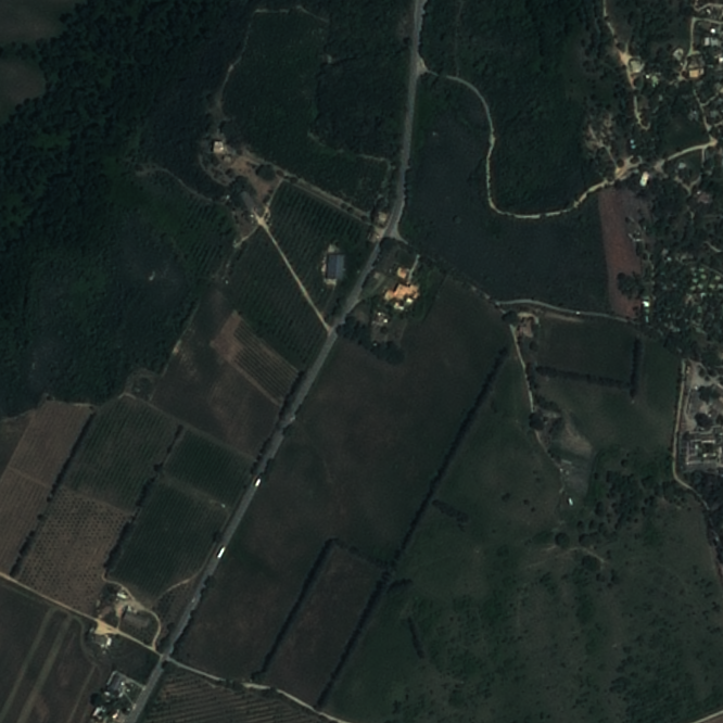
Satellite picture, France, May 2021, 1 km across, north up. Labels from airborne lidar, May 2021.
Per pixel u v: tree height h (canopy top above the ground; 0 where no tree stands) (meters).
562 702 0
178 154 10
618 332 0
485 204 7
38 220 22
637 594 0
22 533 0
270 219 6
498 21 8
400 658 0
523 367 0
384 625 0
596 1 10
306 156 6
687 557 0
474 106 0
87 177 23
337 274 0
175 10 11
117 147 16
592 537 11
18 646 0
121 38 26
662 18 8
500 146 6
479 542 0
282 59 7
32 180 25
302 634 0
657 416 0
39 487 0
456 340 0
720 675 0
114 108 23
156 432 0
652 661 0
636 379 14
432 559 0
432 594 0
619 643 0
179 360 0
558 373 14
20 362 7
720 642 0
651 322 8
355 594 0
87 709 0
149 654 0
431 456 0
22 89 0
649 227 10
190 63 19
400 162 9
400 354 12
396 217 0
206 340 0
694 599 0
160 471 16
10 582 0
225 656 0
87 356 5
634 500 10
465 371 0
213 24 20
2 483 0
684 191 9
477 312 0
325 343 0
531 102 10
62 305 7
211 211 6
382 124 18
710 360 11
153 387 0
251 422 0
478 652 0
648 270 7
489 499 0
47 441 0
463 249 0
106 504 0
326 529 0
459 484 0
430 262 8
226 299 0
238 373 0
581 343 0
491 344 0
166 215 0
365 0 10
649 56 6
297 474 0
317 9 9
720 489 12
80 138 20
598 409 0
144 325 7
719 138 7
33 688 0
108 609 0
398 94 15
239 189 12
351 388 0
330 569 0
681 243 9
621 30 0
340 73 12
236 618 0
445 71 7
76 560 0
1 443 0
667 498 6
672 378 0
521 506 0
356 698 0
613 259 0
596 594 0
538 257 0
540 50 8
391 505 0
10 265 21
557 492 0
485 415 0
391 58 10
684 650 0
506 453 0
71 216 26
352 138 14
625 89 10
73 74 24
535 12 17
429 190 0
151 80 26
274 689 8
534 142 7
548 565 0
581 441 0
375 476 0
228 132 15
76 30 13
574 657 0
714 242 6
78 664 0
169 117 11
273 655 12
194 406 0
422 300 8
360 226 6
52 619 0
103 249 6
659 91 7
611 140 7
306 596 13
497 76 6
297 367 0
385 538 0
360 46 13
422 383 0
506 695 0
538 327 11
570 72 0
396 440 0
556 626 0
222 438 0
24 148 25
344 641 0
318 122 10
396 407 0
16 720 0
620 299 0
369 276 8
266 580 0
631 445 0
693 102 8
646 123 8
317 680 0
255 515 0
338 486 0
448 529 0
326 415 0
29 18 0
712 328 10
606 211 0
